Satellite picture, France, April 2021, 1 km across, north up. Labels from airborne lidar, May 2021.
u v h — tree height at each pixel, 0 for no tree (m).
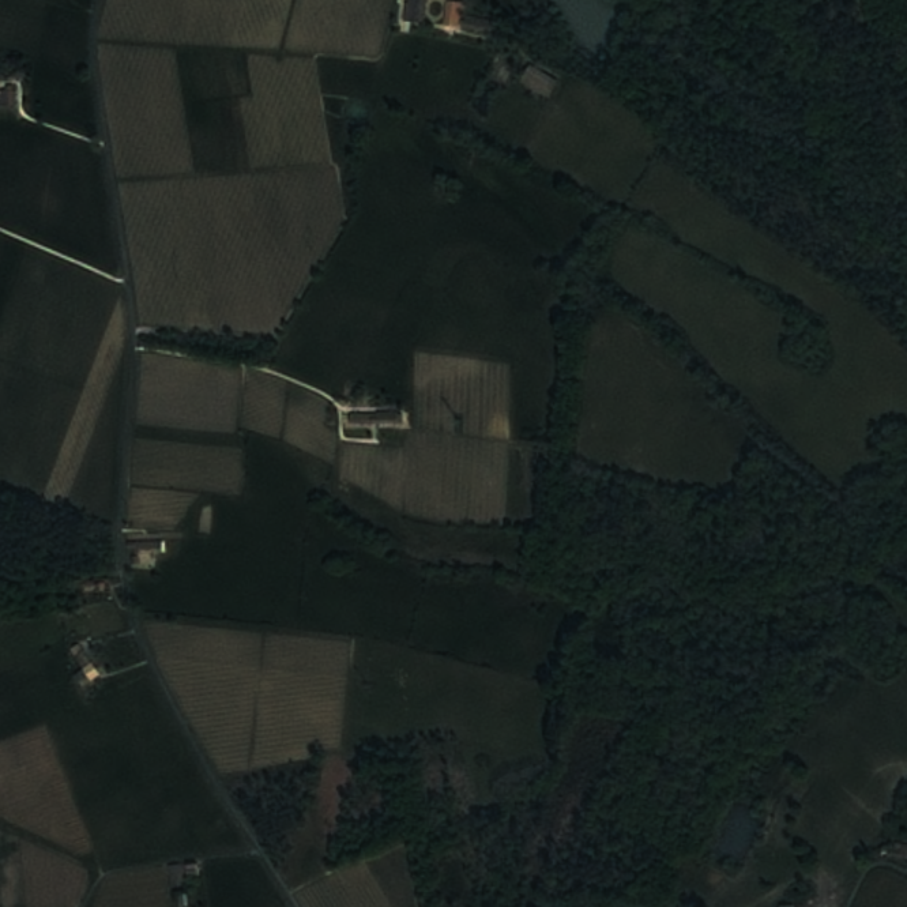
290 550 0
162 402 0
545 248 0
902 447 23
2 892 0
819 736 0
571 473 22
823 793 0
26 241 0
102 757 0
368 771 21
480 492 0
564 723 24
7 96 0
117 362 0
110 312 0
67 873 0
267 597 0
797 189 24
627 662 25
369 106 0
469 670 0
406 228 0
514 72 8
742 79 29
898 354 0
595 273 15
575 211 0
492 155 21
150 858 0
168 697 0
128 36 0
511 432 0
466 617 0
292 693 0
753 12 24
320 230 0
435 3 0
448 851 12
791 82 30
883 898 0
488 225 0
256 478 0
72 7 0
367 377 0
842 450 0
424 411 0
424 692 0
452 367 0
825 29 18
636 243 0
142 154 0
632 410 0
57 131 0
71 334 0
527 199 0
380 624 0
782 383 0
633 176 0
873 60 20
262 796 11
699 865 0
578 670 19
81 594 6
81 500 0
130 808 0
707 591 25
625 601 25
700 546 24
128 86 0
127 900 0
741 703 30
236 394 0
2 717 0
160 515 0
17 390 0
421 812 20
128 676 0
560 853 22
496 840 16
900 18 19
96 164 0
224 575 0
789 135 27
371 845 21
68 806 0
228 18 0
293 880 0
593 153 0
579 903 16
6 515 21
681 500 18
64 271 0
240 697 0
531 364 0
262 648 0
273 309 0
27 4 0
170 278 0
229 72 0
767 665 18
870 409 0
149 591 0
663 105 17
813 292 0
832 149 25
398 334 0
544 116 0
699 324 0
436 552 0
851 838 0
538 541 23
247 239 0
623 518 13
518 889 11
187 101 0
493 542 0
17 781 0
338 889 0
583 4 0
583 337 22
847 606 17
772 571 24
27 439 0
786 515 12
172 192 0
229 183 0
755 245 0
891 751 0
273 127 0
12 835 0
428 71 0
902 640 21
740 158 28
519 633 0
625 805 15
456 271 0
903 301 25
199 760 0
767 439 10
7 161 0
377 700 0
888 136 24
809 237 28
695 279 0
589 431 0
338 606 0
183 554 0
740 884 0
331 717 0
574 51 10
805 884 14
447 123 10
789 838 12
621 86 23
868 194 28
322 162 0
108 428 0
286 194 0
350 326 0
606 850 14
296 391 0
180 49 0
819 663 23
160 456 0
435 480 0
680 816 19
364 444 0
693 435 0
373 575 0
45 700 0
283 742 0
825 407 0
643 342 0
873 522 25
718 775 29
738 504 23
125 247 0
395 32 9
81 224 0
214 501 0
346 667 0
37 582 16
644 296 0
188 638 0
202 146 0
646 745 19
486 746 0
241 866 0
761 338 0
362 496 0
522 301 0
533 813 12
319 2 0
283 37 0
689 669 16
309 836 0
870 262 16
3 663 0
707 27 33
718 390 15
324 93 0
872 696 0
